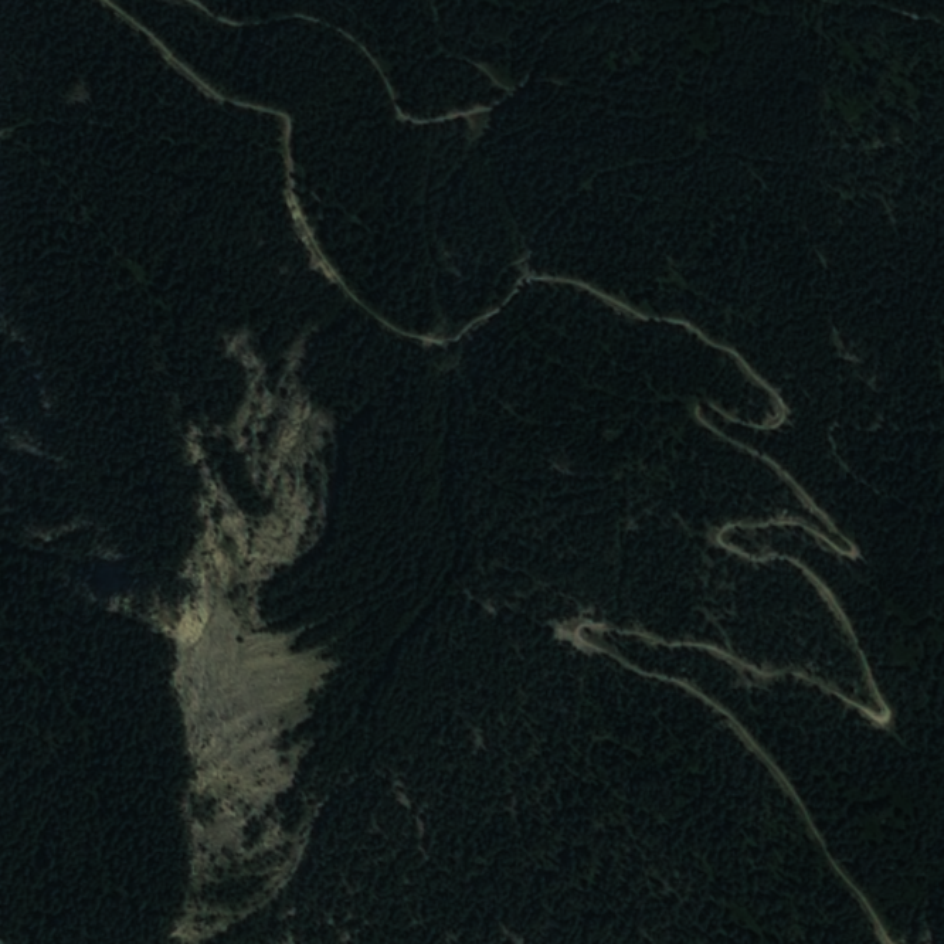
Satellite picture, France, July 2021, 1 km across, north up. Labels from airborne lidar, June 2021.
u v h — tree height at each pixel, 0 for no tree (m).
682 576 11
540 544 19
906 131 27
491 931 17
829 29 17
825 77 16
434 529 21
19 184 10
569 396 15
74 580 9
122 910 21
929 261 22
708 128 11
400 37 14
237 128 23
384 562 24
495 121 11
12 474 7
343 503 28
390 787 15
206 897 13
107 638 14
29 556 8
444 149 17
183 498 19
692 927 9
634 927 20
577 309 14
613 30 16
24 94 22
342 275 7
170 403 9
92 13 19
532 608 18
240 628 0
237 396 14
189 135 22
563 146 15
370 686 12
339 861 19
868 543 26
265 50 21
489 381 20
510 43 15
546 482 12
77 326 27
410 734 17
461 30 19
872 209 21
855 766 26
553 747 19
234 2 21
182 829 10
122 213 22
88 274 25
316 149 23
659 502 17
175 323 8
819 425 15
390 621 21
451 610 25
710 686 16
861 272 18
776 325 11
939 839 16
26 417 16
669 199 23
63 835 25
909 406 18
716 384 11
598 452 11
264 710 0
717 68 22
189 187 28
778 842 10
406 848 14
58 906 24
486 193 21
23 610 26
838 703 21
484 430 13
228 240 23
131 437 25
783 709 18
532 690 21
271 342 27
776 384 17
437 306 7
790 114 25
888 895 29
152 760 21
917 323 19
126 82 23
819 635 16
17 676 12
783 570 14
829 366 21
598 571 19
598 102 17
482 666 14
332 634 19
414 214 16
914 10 20
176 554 20
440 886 19
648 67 17
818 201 18
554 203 17
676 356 15
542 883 25
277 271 16
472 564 25
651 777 21
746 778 6
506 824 17
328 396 26
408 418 26
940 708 14
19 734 22
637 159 8
